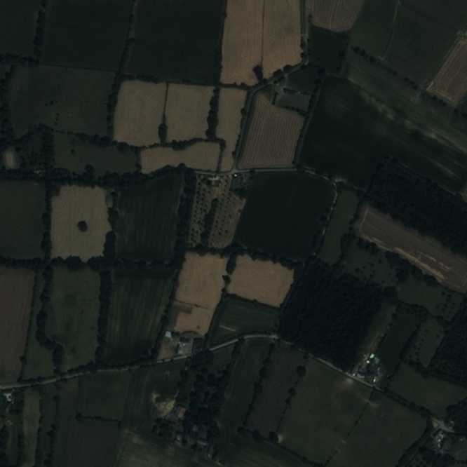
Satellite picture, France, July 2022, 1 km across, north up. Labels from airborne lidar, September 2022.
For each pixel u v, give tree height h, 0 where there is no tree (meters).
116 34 0
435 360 13
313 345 15
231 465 0
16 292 0
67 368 0
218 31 0
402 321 0
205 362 21
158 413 0
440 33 0
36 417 0
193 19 0
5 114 21
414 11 0
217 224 7
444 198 14
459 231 20
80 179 24
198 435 14
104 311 16
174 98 0
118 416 0
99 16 0
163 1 0
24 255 0
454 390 0
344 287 16
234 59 0
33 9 0
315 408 0
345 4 0
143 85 0
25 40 0
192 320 0
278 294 0
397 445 0
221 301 7
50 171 12
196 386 17
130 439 0
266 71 0
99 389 0
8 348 0
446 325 19
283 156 0
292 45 0
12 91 0
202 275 0
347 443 0
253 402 7
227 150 0
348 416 0
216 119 16
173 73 0
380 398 0
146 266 14
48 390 0
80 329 0
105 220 0
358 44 0
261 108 0
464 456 0
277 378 0
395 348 0
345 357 18
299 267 17
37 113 0
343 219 0
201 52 0
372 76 0
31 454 0
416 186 18
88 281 0
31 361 0
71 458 0
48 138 19
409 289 0
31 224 0
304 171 10
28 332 8
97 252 0
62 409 0
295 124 0
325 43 0
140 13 0
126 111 0
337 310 16
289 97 0
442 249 0
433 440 6
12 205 0
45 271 13
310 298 19
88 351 0
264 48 0
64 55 0
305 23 0
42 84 0
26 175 11
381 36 0
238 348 14
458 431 13
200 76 0
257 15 0
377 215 0
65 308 0
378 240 0
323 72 20
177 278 8
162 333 7
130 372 7
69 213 0
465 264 0
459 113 11
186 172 18
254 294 0
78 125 0
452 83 0
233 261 15
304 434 0
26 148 0
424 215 24
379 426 0
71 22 0
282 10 0
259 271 0
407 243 0
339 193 14
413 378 0
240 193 10
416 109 0
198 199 10
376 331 0
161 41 0
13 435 0
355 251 0
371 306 22
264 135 0
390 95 0
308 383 0
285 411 8
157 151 0
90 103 0
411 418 0
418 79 0
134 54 0
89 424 0
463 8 0
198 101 0
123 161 0
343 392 0
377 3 0
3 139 13
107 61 0
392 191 22
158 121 0
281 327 12
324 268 11
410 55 0
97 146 12
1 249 0
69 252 0
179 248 19
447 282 0
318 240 19
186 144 12
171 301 8
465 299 9
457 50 0
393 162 12
